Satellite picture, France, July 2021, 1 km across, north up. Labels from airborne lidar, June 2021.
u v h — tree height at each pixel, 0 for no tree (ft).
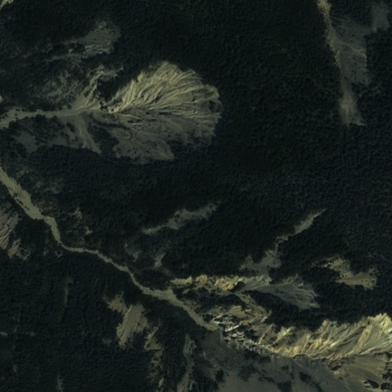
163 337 27
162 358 29
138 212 41
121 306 0
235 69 52
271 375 0
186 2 33
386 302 37
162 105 0
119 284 35
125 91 0
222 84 29
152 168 30
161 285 48
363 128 29
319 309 23
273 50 48
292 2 76
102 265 19
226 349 0
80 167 41
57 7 49
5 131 37
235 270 41
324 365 0
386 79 24
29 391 24
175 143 26
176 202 61
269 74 37
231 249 65
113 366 37
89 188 32
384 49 43
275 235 43
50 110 20
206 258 40
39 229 28
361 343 0
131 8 58
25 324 53
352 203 40
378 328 0
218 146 29
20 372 28
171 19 46
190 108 0
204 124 0
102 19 19
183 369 24
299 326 37
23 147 29
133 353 28
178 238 27
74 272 34
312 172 54
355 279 0
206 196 66
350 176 49
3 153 21
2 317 45
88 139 0
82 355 39
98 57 24
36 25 51
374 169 51
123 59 25
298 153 52
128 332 0
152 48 41
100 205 51
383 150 30
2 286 52
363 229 32
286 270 26
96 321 42
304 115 29
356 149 47
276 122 61
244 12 52
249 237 50
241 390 0
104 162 49
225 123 51
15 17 29
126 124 0
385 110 55
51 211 21
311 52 55
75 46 22
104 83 45
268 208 31
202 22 48
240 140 46
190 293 26
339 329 0
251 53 58
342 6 56
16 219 0
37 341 25
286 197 52
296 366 0
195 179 57
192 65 35
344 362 0
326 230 62
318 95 41
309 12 80
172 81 0
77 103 0
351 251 23
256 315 0
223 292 0
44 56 29
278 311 29
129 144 0
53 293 50
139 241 27
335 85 30
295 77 40
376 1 21
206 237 59
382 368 0
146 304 23
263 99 55
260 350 0
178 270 27
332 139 52
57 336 42
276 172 47
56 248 22
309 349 0
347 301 28
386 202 30
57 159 53
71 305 48
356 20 20
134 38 48
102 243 31
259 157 55
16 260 19
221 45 60
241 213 63
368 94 47
